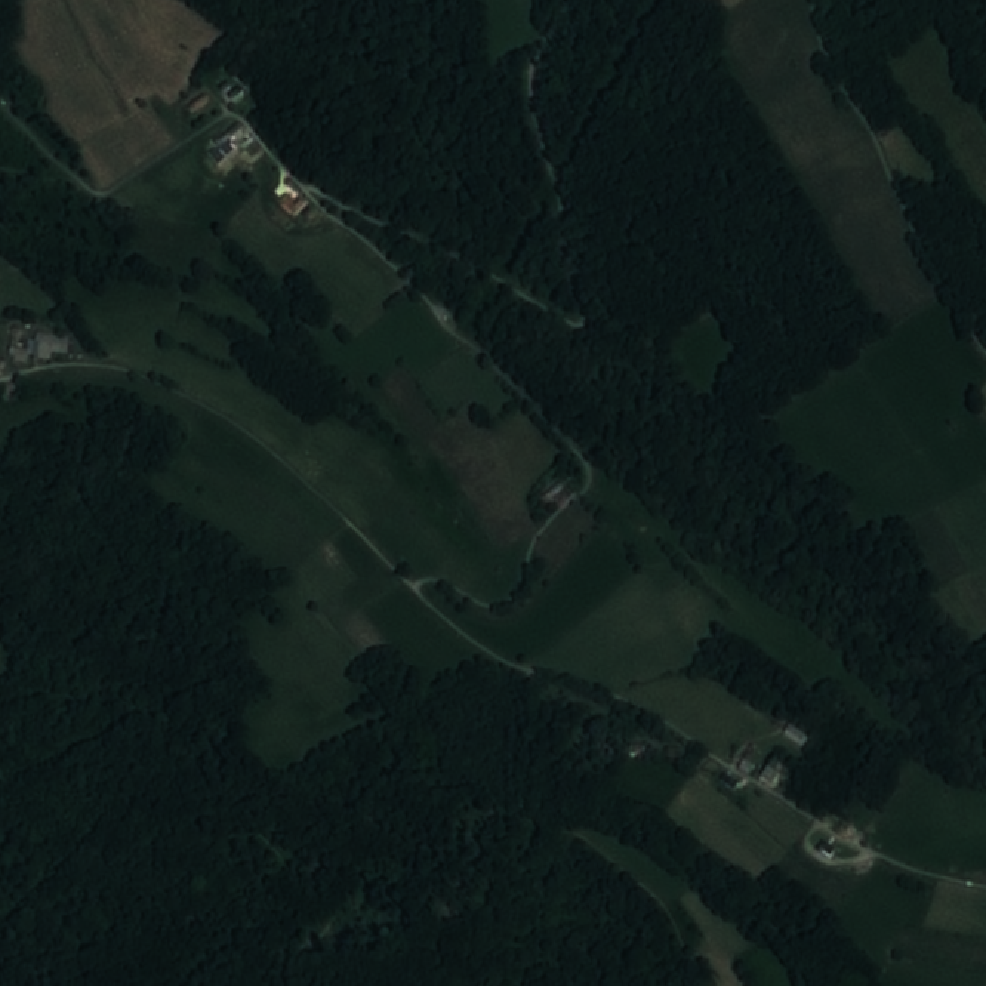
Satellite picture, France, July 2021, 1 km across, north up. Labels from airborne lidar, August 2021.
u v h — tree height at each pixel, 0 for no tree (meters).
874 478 0
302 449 0
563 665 0
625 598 0
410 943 20
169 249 0
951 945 0
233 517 0
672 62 19
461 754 12
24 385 11
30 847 24
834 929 22
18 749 21
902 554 25
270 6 19
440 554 0
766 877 13
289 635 0
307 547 0
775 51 0
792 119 0
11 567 21
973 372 0
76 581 22
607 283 20
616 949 8
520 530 0
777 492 18
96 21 0
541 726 22
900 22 27
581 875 17
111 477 20
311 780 20
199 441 0
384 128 22
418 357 0
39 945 21
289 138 32
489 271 25
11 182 22
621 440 21
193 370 0
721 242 23
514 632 0
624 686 0
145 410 17
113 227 24
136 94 0
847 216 0
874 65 24
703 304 23
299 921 22
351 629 0
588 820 23
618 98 25
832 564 28
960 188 28
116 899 28
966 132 0
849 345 18
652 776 0
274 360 25
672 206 24
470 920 20
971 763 22
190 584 27
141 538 27
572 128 22
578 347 27
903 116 27
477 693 14
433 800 27
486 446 0
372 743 23
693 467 20
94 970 26
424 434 0
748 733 0
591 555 0
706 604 0
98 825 16
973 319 22
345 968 26
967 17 26
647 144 25
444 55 22
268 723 0
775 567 29
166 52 0
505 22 0
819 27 16
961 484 0
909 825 0
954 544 0
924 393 0
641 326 21
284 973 20
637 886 17
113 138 0
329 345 0
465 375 0
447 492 0
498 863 26
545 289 18
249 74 18
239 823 25
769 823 0
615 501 0
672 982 14
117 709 27
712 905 19
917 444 0
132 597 23
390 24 24
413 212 27
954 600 0
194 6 19
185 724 27
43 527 29
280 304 30
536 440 0
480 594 0
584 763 11
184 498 0
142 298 0
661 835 25
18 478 21
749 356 29
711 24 20
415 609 0
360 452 0
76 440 21
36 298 0
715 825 0
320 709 0
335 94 19
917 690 21
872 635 23
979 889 0
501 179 19
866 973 15
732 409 26
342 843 28
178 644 26
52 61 0
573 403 29
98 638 28
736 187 23
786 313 20
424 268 24
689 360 0
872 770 21
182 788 25
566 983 17
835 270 21
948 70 0
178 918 24
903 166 0
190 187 0
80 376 0
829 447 0
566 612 0
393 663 18
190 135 0
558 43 13
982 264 23
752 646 19
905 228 0
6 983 25
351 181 25
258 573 14
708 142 14
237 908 21
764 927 23
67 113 0
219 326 10
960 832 0
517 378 17
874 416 0
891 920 0
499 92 22
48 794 12
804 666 0
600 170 22
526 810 16
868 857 0
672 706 0
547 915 8
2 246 19
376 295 0
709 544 23
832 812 9
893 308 0
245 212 0
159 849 28
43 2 0
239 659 21
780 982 0
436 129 8
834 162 0
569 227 21
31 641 28
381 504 0
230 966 22
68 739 19
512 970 13
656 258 10
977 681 27
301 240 0
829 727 10
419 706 16
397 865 18
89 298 0
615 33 23
